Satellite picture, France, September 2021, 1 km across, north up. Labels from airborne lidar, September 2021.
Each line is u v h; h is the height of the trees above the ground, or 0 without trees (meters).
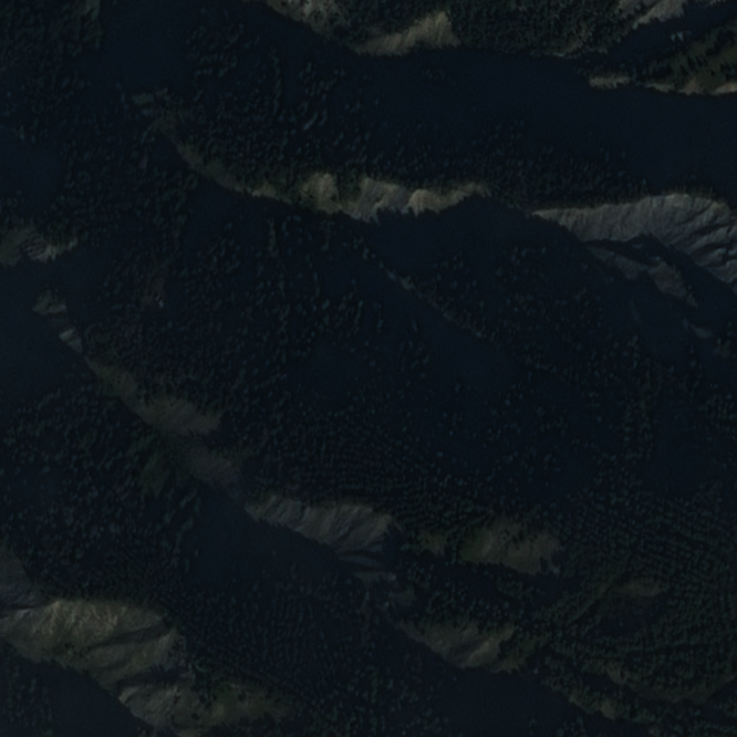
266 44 11
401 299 0
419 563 14
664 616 8
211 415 16
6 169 20
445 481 11
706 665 13
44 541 30
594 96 0
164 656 0
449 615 7
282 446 26
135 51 12
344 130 15
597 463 18
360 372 10
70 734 0
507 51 17
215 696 9
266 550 0
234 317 19
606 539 16
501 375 0
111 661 0
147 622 0
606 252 0
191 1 11
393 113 9
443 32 0
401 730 6
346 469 21
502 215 0
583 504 13
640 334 0
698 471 8
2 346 0
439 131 17
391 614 0
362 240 8
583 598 16
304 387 10
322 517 0
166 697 0
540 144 10
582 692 12
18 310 0
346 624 14
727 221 0
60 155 26
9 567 0
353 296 21
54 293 11
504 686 5
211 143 30
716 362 0
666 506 15
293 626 11
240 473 0
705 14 0
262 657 19
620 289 0
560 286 8
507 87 0
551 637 8
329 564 0
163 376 31
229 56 32
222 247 30
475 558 0
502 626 12
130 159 28
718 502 12
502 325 21
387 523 0
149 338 30
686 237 0
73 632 0
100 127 22
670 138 0
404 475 9
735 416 9
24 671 6
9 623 0
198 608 19
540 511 14
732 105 0
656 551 14
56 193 19
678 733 10
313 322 8
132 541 15
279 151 33
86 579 16
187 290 27
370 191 0
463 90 17
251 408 6
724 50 18
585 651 17
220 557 0
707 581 11
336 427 12
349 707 11
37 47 15
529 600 11
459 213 0
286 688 18
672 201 0
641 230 0
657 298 0
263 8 0
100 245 9
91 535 19
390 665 10
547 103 0
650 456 14
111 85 9
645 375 14
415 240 0
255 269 32
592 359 17
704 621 12
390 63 6
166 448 6
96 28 8
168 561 7
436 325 0
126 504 10
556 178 24
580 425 9
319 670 9
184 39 26
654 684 12
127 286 20
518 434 10
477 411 12
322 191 0
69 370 14
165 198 12
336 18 6
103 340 28
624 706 11
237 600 9
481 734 7
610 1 8
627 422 11
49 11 17
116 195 24
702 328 0
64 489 28
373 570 0
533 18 24
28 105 16
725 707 12
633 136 0
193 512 0
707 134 0
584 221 0
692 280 0
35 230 12
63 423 29
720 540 9
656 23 0
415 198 0
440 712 10
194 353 29
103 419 21
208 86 13
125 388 0
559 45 9
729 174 0
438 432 8
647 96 0
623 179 22
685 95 0
